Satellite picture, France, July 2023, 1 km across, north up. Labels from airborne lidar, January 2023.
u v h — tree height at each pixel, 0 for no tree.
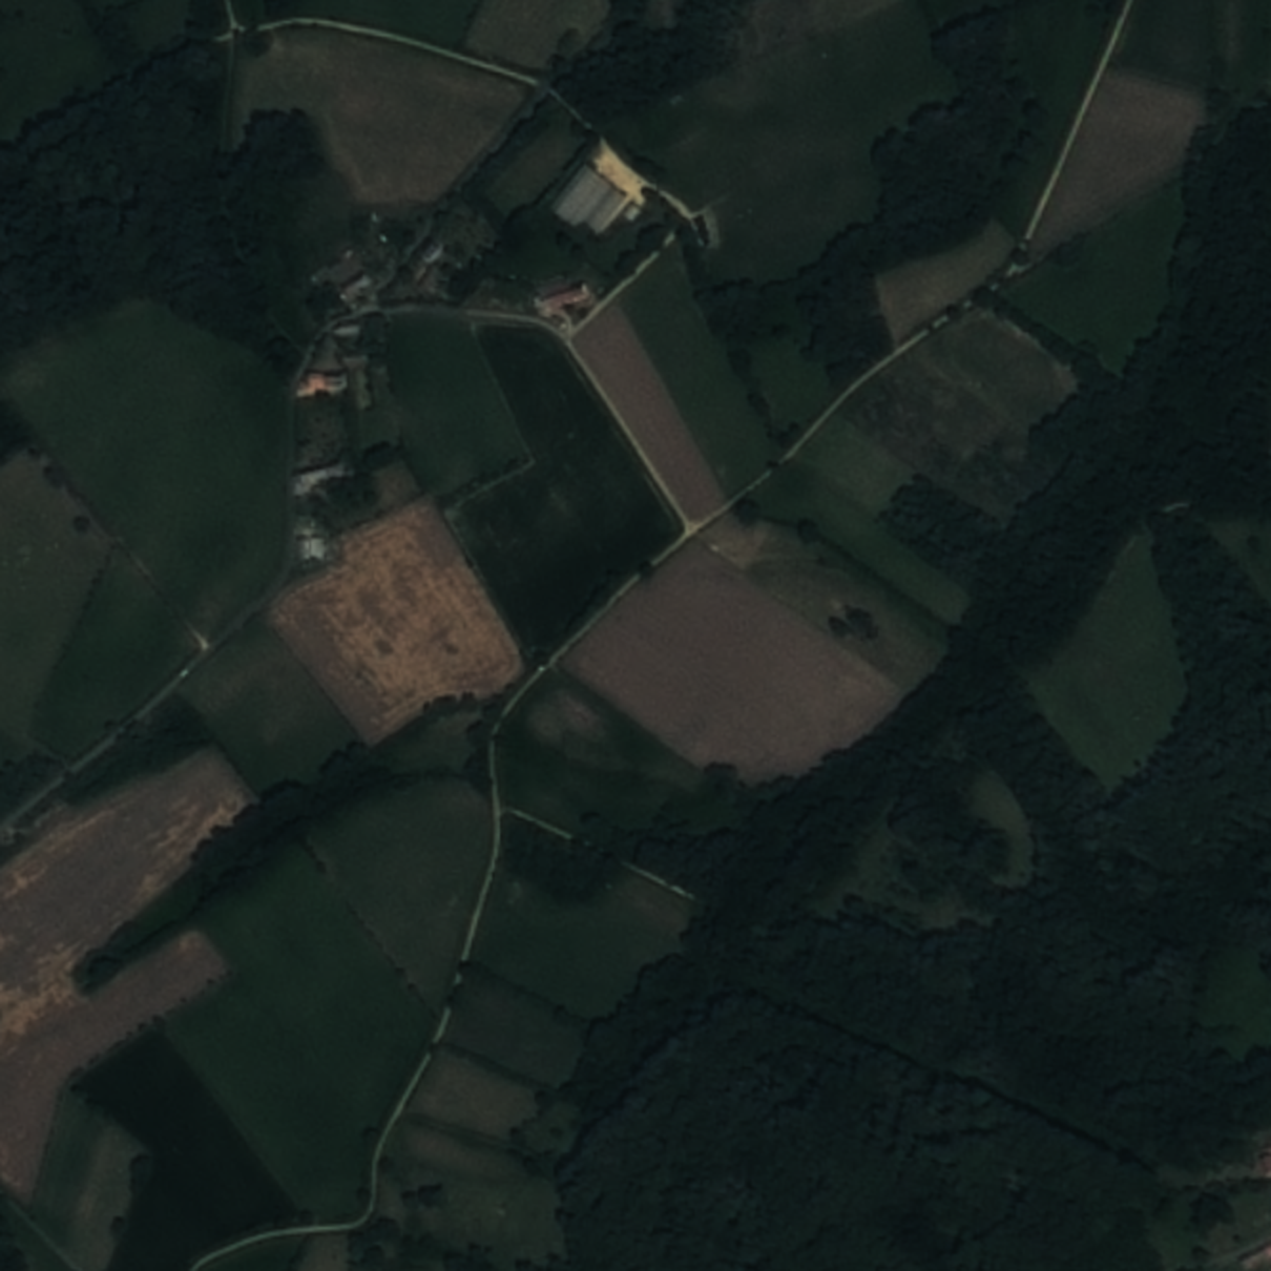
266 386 0
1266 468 16
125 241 29
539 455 0
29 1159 0
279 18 12
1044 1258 29
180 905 0
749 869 23
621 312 0
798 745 0
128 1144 0
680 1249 24
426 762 0
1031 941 28
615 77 23
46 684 0
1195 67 0
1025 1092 24
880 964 18
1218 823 31
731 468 0
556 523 0
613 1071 12
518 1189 0
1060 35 0
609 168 0
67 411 0
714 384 0
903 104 0
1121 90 0
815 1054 24
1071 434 18
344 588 0
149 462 0
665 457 0
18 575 0
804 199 0
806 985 18
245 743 0
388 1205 0
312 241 0
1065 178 0
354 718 0
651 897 0
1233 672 22
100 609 0
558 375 0
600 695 0
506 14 0
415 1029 0
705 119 0
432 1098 0
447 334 0
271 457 0
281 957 0
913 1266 28
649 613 0
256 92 0
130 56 7
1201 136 10
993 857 26
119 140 27
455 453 0
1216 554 22
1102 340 0
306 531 0
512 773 0
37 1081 0
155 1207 0
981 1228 19
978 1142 28
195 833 0
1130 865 14
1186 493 14
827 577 0
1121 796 0
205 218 21
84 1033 0
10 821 0
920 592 0
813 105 0
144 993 0
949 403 0
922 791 12
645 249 12
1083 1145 32
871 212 0
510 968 0
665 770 0
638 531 0
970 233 8
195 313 20
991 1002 23
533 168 0
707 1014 6
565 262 0
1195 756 25
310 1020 0
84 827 0
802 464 0
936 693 20
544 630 0
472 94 0
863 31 0
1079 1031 27
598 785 0
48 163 31
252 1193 0
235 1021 0
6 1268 21
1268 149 17
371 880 0
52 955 0
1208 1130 25
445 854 0
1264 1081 20
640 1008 17
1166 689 0
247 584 0
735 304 23
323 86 0
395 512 0
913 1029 24
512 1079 6
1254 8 0
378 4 0
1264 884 15
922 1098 25
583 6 0
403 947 0
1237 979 0
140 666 0
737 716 0
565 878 13
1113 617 0
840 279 23
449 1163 0
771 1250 29
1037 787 20
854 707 0
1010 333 0
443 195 0
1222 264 16
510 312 0
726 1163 31
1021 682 15
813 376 0
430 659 0
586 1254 14
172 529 0
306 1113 0
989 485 0
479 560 0
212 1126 0
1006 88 12
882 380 0
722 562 0
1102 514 16
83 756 0
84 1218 0
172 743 11
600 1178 32
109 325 0
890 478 0
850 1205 30
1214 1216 18
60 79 0
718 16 10
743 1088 29
